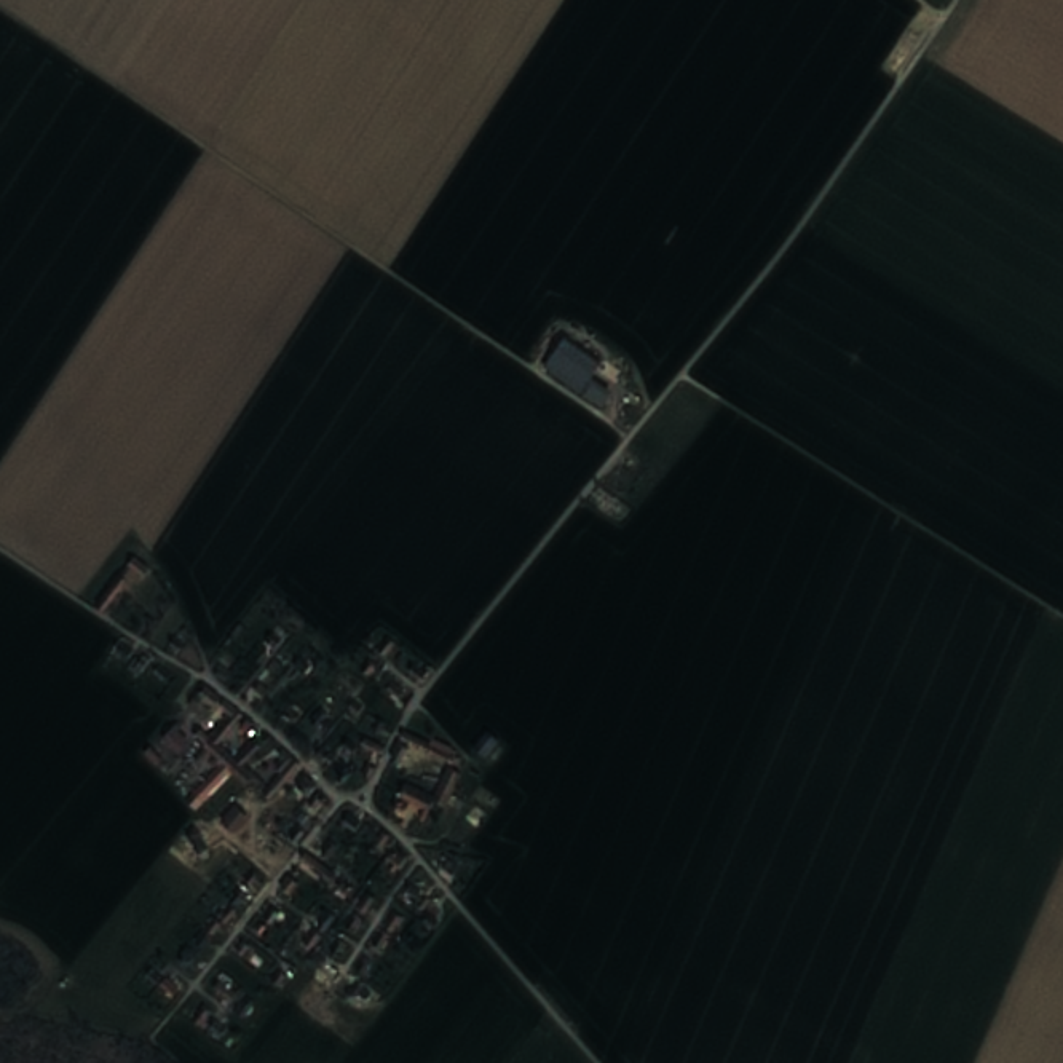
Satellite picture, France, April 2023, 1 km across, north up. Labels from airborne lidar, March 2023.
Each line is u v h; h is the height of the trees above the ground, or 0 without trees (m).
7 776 0
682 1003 0
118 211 0
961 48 0
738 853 0
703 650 0
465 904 0
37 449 0
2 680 0
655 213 0
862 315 0
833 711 0
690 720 0
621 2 0
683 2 0
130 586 0
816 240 0
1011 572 0
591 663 0
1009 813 0
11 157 0
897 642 0
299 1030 0
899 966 0
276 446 0
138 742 0
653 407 0
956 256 0
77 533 0
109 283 0
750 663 0
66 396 0
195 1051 0
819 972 0
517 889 0
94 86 0
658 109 0
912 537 0
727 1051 0
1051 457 0
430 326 0
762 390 0
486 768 0
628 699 0
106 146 0
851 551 0
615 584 0
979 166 0
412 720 0
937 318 0
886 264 0
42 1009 0
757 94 0
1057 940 0
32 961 21
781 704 0
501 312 0
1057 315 0
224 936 0
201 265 0
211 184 0
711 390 0
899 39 0
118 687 0
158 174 0
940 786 0
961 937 0
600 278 0
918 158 0
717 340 0
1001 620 0
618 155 0
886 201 0
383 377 0
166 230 0
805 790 0
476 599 0
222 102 0
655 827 0
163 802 0
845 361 0
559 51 0
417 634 0
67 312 0
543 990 0
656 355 0
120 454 0
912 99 0
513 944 0
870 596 0
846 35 0
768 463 0
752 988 0
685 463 0
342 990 0
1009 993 0
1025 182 0
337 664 10
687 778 0
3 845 0
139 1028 0
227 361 0
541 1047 0
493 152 0
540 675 0
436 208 0
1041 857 0
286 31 0
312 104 0
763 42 0
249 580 0
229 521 0
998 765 0
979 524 0
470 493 0
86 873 0
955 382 0
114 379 0
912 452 0
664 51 0
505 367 0
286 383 0
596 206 0
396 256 0
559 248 0
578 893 0
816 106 0
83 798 0
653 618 0
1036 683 0
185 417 0
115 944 0
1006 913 0
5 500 0
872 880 0
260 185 0
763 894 0
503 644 0
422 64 0
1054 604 0
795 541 0
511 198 0
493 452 0
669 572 0
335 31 0
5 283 0
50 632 0
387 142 0
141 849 0
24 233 0
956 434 0
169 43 0
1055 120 0
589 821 0
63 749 0
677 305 0
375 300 0
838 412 0
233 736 0
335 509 0
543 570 0
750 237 0
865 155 0
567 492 0
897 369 0
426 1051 0
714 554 0
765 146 0
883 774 0
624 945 0
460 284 0
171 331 0
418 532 0
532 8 0
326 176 0
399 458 0
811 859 0
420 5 0
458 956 0
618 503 0
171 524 0
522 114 0
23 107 0
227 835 0
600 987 0
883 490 0
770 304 0
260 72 0
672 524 0
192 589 0
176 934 0
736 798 0
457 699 0
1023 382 0
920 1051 0
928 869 0
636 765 0
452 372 0
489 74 0
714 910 0
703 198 0
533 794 0
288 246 0
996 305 0
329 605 0
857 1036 0
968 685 0
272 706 12
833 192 0
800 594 0
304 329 0
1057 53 0
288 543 0
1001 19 0
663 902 0
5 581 0
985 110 0
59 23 0
